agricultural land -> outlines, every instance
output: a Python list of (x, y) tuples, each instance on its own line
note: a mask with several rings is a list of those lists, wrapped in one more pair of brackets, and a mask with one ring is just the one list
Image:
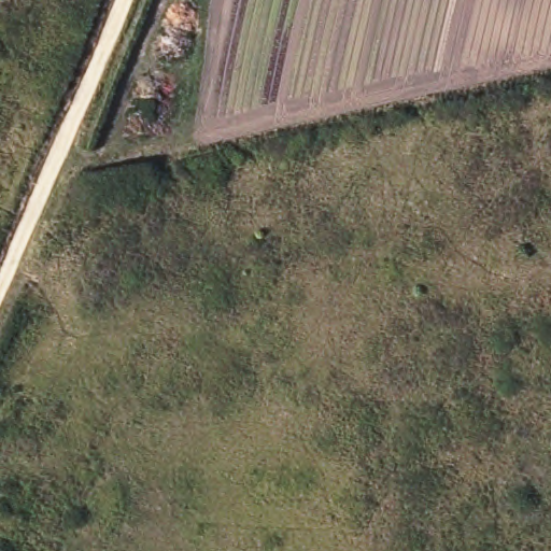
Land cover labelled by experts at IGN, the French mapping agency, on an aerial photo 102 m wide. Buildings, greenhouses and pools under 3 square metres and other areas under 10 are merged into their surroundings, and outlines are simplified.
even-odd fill
[(248, 138), (282, 127), (308, 125), (347, 112), (379, 110), (381, 105), (390, 103), (418, 105), (435, 101), (439, 93), (480, 88), (489, 82), (501, 82), (517, 75), (551, 69), (551, 0), (209, 0), (207, 26), (207, 39), (200, 101), (194, 118), (194, 138), (202, 146), (224, 140)]

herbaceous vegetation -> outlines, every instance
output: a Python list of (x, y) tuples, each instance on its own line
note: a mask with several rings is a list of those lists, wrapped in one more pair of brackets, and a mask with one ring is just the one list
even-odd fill
[(95, 198), (88, 194), (88, 187), (75, 179), (77, 172), (86, 166), (125, 161), (149, 155), (168, 155), (181, 159), (185, 153), (202, 146), (194, 138), (194, 118), (200, 101), (207, 39), (187, 30), (187, 43), (181, 47), (179, 56), (168, 52), (159, 56), (161, 73), (174, 75), (179, 112), (170, 127), (153, 123), (153, 103), (151, 99), (140, 99), (131, 73), (138, 62), (142, 43), (155, 22), (161, 0), (133, 0), (123, 24), (123, 30), (108, 58), (95, 97), (56, 174), (50, 198), (24, 248), (13, 282), (0, 306), (0, 551), (551, 551), (551, 99), (532, 101), (529, 110), (523, 112), (512, 112), (508, 103), (493, 103), (493, 108), (489, 110), (491, 131), (484, 131), (484, 127), (474, 127), (474, 131), (465, 131), (461, 121), (433, 123), (430, 116), (424, 114), (418, 123), (383, 129), (381, 136), (366, 140), (364, 146), (340, 142), (336, 149), (323, 149), (321, 155), (314, 155), (306, 161), (248, 161), (243, 166), (243, 172), (232, 176), (230, 181), (232, 207), (226, 211), (220, 211), (215, 209), (215, 204), (200, 202), (196, 200), (196, 196), (181, 192), (179, 196), (166, 196), (166, 200), (157, 202), (149, 198), (149, 204), (142, 213), (131, 211), (129, 207), (112, 207), (110, 211), (95, 215)]
[(13, 241), (13, 235), (22, 222), (22, 215), (28, 207), (30, 194), (39, 181), (43, 164), (50, 155), (52, 142), (65, 121), (69, 103), (73, 101), (75, 90), (86, 73), (86, 67), (90, 62), (90, 56), (101, 37), (114, 0), (0, 0), (0, 267)]
[(209, 0), (181, 0), (185, 9), (198, 15), (200, 26), (207, 26)]

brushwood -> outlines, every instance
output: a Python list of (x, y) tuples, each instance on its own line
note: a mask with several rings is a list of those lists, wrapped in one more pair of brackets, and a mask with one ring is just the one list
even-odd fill
[(181, 159), (168, 155), (149, 155), (125, 161), (86, 166), (77, 172), (75, 179), (88, 187), (88, 194), (95, 198), (95, 215), (110, 211), (112, 207), (129, 207), (131, 211), (142, 213), (149, 204), (149, 198), (157, 202), (166, 200), (166, 196), (179, 196), (181, 192), (196, 196), (196, 200), (200, 202), (215, 204), (215, 209), (220, 211), (226, 211), (232, 207), (230, 181), (232, 176), (243, 172), (243, 166), (248, 161), (306, 161), (314, 155), (321, 155), (323, 149), (336, 149), (340, 142), (364, 146), (366, 140), (381, 136), (383, 129), (418, 123), (424, 114), (430, 116), (433, 123), (461, 121), (465, 131), (474, 131), (474, 127), (484, 127), (484, 131), (491, 131), (489, 110), (493, 108), (493, 103), (508, 103), (512, 112), (523, 112), (529, 110), (532, 101), (551, 99), (551, 69), (517, 75), (501, 82), (489, 82), (480, 88), (439, 93), (435, 101), (418, 105), (390, 103), (381, 105), (379, 110), (347, 112), (308, 125), (282, 127), (248, 138), (224, 140), (202, 146), (185, 153)]

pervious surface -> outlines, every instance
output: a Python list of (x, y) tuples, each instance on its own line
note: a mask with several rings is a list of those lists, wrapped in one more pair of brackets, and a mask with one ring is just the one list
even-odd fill
[(28, 207), (22, 215), (22, 222), (13, 235), (13, 241), (0, 267), (0, 306), (13, 282), (24, 248), (50, 198), (56, 174), (95, 97), (108, 58), (123, 30), (123, 24), (133, 0), (114, 0), (101, 37), (90, 56), (90, 62), (86, 67), (86, 73), (75, 90), (73, 101), (69, 103), (65, 121), (52, 142), (50, 155), (43, 164), (39, 181), (30, 194)]
[(168, 52), (179, 56), (181, 47), (187, 43), (187, 30), (207, 39), (207, 26), (200, 26), (198, 15), (185, 9), (181, 0), (161, 0), (155, 22), (142, 43), (138, 62), (131, 73), (140, 99), (151, 99), (153, 103), (153, 123), (170, 127), (179, 112), (174, 75), (161, 73), (159, 56)]

